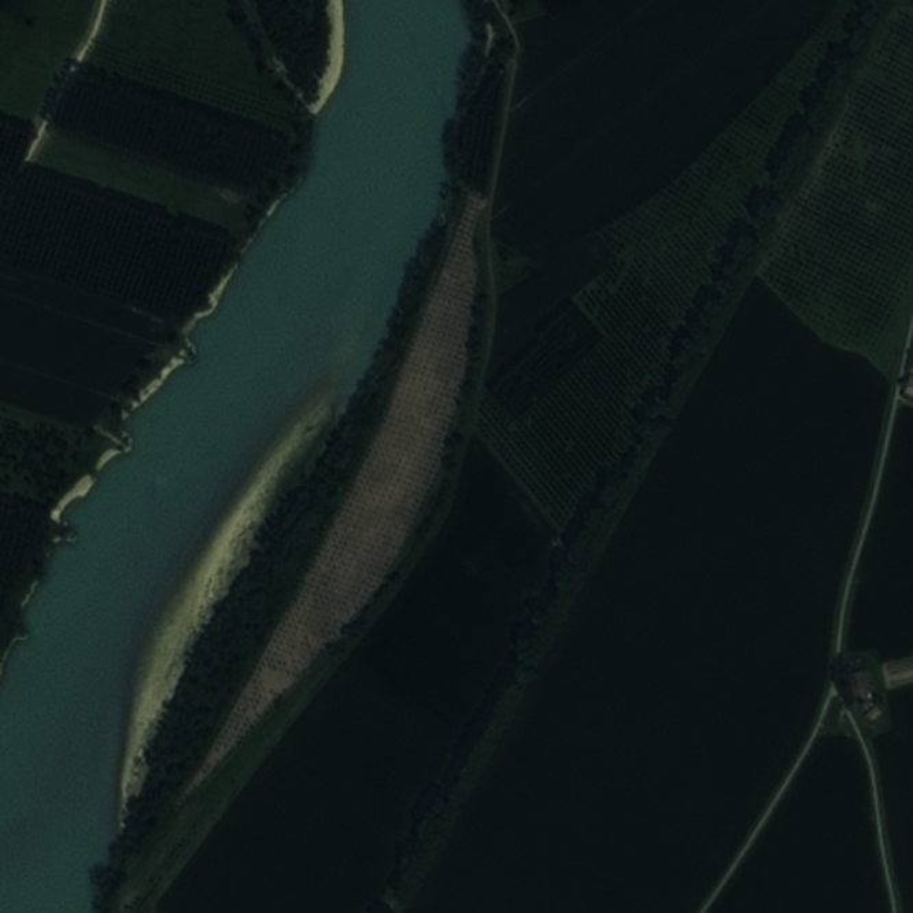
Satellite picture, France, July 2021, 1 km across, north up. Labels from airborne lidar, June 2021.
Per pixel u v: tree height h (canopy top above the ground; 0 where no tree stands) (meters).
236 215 0
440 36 0
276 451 0
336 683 0
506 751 0
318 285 0
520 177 0
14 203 21
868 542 0
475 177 21
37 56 0
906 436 0
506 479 0
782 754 0
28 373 0
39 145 0
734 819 0
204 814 0
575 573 39
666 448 0
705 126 0
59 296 0
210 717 25
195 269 27
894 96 9
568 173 0
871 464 0
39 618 0
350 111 0
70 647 0
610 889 0
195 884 0
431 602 0
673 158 0
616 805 0
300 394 0
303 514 15
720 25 0
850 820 0
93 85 31
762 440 0
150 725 0
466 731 0
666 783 0
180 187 0
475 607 0
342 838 0
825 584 0
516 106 0
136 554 0
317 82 9
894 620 0
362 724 0
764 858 0
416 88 0
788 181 37
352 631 14
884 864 0
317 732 0
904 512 0
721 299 34
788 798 0
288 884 0
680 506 0
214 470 0
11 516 27
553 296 0
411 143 0
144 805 13
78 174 0
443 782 0
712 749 0
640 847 0
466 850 0
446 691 0
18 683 0
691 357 37
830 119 38
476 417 0
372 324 0
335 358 0
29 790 0
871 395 0
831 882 0
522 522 0
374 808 0
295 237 0
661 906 0
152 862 0
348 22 0
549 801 0
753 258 39
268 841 0
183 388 0
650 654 0
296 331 0
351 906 0
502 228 0
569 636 0
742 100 0
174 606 0
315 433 0
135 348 0
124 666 0
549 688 0
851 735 0
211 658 18
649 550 0
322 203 0
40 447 9
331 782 0
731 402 0
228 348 0
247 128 29
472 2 24
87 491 0
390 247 0
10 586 24
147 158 30
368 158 0
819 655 0
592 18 0
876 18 36
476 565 0
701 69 0
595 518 38
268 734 0
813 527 0
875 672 0
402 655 0
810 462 0
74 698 0
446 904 0
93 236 29
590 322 18
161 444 0
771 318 0
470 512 0
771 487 0
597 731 0
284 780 0
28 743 0
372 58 0
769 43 0
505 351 0
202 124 29
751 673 0
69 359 0
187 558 0
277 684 0
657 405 35
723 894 0
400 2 0
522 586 0
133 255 28
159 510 0
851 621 0
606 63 0
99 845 0
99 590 0
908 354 8
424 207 0
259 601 19
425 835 32
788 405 0
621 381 9
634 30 0
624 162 0
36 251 24
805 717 0
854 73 39
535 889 0
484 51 11
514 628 0
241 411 0
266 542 22
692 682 0
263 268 0
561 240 0
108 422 0
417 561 0
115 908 7
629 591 0
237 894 0
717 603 0
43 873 0
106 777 0
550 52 0
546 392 19
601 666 0
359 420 21
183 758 8
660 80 0
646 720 0
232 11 7
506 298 0
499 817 0
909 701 0
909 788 0
